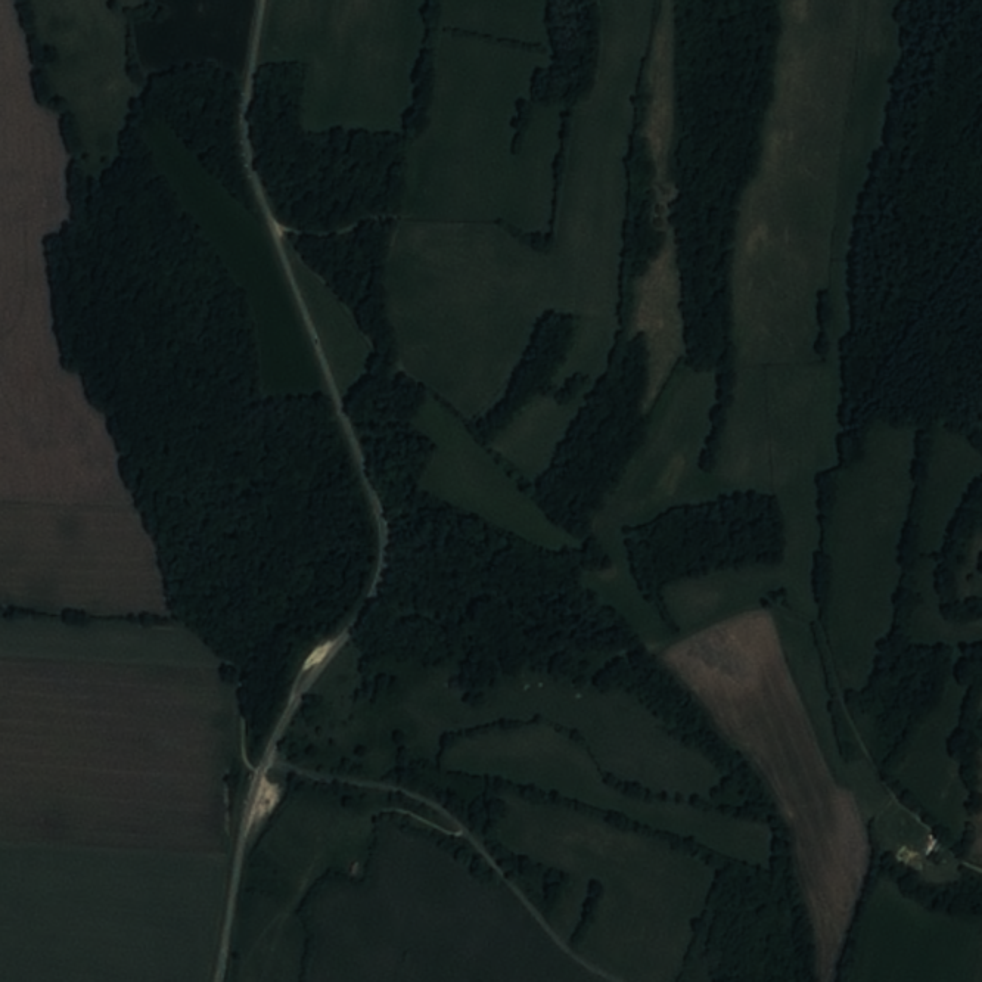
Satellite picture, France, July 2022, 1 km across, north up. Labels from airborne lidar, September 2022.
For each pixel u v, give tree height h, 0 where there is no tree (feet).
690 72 32
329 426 59
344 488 63
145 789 0
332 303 0
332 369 0
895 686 27
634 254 41
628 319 32
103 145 0
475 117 0
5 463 0
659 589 30
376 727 0
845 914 0
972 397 62
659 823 0
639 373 53
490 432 58
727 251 49
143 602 0
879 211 51
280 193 48
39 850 0
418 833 18
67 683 0
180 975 0
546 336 60
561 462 33
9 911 0
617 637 71
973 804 40
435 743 0
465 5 0
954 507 0
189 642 0
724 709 0
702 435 0
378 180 28
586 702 0
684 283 39
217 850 0
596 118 0
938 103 21
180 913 0
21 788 0
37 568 0
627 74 0
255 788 0
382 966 0
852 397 53
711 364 60
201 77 52
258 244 0
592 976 0
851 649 0
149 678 0
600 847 0
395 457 65
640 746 0
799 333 0
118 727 0
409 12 0
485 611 72
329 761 0
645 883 0
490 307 0
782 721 0
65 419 0
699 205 48
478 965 0
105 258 54
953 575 47
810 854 0
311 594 39
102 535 0
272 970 0
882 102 0
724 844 0
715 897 22
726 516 70
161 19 46
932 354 64
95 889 0
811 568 0
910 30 47
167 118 54
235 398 59
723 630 0
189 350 29
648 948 0
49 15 0
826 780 0
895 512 0
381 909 0
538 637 59
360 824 0
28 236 0
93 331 56
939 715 0
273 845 0
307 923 19
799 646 0
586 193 0
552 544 0
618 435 63
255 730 46
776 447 0
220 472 52
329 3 0
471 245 0
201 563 71
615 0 0
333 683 0
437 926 0
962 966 0
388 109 0
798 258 0
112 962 0
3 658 0
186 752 0
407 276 0
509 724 44
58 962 0
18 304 0
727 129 48
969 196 23
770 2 51
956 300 40
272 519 53
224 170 56
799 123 0
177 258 53
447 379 0
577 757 0
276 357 0
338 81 0
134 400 65
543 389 44
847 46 0
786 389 0
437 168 0
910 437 0
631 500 0
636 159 43
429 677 0
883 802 0
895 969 0
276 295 0
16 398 0
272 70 37
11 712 0
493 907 0
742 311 0
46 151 0
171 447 64
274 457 72
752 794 29
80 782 0
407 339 0
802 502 0
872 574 0
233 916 0
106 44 0
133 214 54
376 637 53
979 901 32
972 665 48
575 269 0
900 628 50
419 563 57
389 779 27
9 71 0
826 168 0
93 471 0
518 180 0
